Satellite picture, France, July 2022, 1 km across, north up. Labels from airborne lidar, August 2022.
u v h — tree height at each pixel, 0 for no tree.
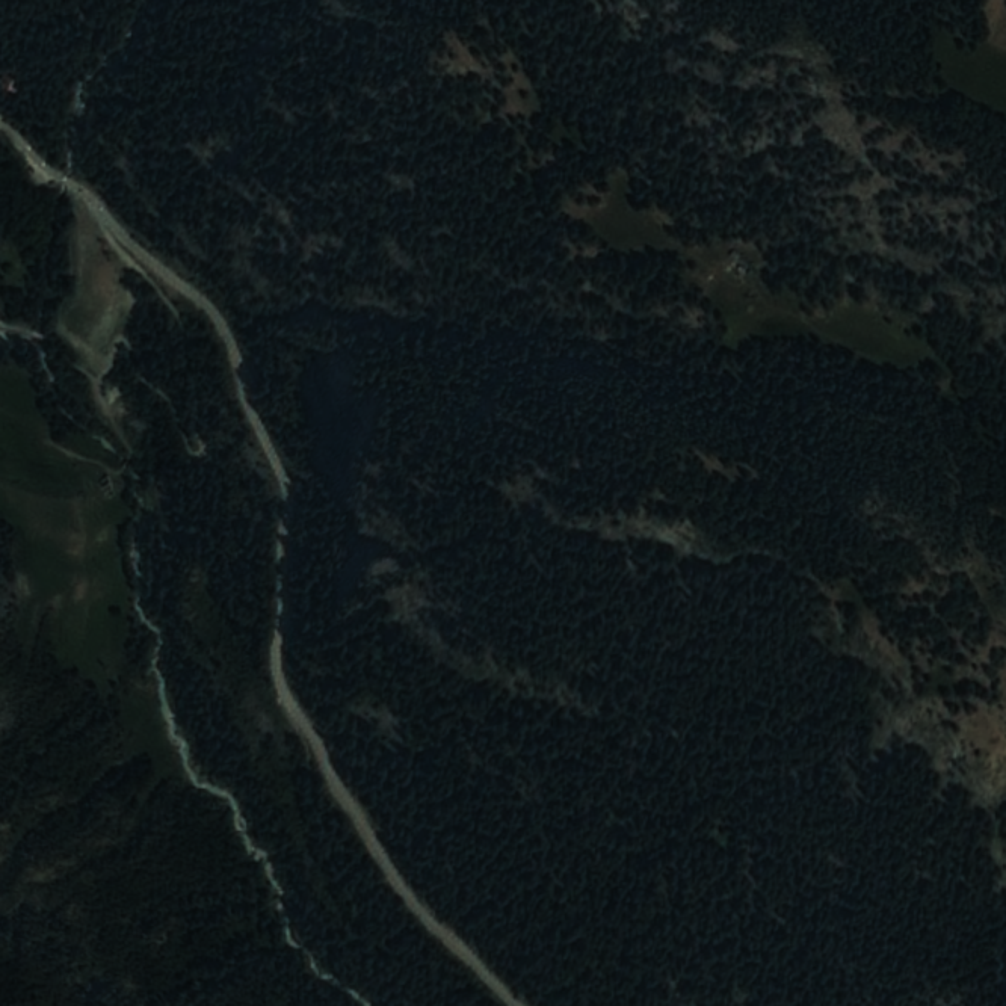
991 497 18
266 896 23
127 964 10
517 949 14
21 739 9
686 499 19
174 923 7
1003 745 0
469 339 28
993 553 35
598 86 25
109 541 0
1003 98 0
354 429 16
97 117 10
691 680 29
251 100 6
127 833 16
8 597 7
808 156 20
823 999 13
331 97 7
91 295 0
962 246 17
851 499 9
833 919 30
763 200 25
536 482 19
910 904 18
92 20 22
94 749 7
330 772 0
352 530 18
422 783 34
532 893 24
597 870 27
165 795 12
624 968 24
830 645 14
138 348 15
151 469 12
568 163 18
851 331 0
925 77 21
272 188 16
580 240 13
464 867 29
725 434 14
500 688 8
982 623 12
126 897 10
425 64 13
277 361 34
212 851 10
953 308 20
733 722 31
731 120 20
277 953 14
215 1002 18
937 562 8
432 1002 27
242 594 15
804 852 33
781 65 12
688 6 17
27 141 13
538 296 15
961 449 23
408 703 22
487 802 25
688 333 15
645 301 19
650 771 17
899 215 9
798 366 11
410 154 26
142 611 13
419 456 16
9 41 22
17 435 0
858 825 22
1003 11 0
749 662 21
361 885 28
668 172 21
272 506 13
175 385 19
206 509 29
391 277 30
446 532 26
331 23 8
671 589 33
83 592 0
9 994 10
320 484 16
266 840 15
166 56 24
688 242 21
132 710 0
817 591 15
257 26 25
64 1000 10
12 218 19
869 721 20
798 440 8
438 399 11
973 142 20
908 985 19
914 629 10
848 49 10
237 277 8
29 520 0
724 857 28
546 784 13
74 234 0
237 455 8
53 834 10
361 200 12
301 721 0
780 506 17
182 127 6
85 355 0
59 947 14
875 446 22
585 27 24
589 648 28
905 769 28
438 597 7
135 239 7
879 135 13
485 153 17
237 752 26
